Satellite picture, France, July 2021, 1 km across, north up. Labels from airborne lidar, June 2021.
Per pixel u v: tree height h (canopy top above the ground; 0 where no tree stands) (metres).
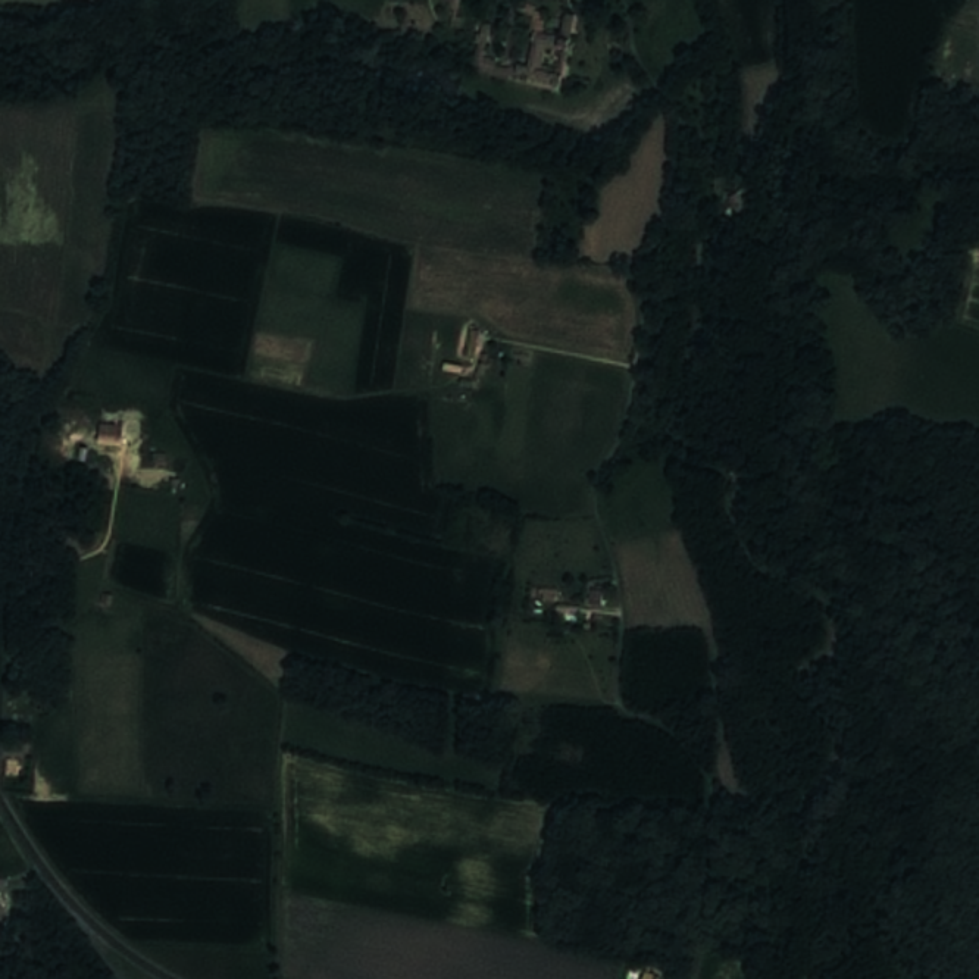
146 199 10
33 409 19
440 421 0
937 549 25
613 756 11
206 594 0
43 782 0
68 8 21
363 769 8
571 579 12
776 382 20
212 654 0
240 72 27
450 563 0
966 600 21
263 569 0
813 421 25
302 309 0
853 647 22
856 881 23
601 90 8
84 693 0
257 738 0
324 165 0
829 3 19
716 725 13
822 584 32
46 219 0
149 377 0
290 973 0
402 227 0
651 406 16
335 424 0
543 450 0
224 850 0
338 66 21
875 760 28
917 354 0
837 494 8
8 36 26
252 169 0
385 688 16
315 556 0
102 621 0
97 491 17
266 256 0
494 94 0
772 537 21
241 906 0
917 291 18
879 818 20
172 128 27
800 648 15
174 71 27
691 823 25
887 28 0
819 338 15
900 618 19
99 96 0
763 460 25
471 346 0
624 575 0
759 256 20
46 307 0
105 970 17
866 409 0
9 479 23
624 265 21
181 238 0
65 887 0
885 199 31
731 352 27
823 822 33
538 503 0
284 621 0
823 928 21
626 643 7
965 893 22
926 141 19
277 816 6
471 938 0
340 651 0
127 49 24
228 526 0
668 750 10
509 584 9
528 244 0
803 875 26
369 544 0
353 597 0
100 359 0
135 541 0
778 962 18
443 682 0
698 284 21
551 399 0
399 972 0
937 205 0
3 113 0
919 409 0
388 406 0
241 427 0
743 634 21
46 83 17
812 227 28
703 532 16
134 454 0
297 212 0
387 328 0
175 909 0
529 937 0
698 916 22
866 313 0
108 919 0
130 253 0
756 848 22
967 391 0
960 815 21
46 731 0
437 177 0
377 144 15
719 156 19
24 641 18
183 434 0
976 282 0
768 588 18
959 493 23
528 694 0
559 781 7
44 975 18
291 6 0
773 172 24
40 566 15
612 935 21
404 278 0
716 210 15
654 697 9
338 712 14
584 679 0
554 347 0
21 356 0
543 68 0
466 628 0
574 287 0
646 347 22
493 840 0
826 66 27
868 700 23
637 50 0
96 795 0
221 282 0
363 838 0
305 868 0
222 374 0
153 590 0
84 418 0
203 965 0
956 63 0
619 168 17
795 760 19
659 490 0
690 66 19
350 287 0
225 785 0
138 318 0
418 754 0
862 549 18
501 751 19
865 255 19
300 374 0
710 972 0
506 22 14
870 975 6
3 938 15
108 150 0
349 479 0
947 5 12
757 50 0
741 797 9
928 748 22
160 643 0
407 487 0
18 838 0
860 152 20
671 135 12
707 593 18
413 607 0
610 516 0
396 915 0
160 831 0
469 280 0
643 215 0
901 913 25
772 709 13
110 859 0
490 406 0
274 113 24
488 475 0
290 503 0
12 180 0
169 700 0
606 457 0
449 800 0
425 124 19
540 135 22
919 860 22
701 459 17
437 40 9
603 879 26
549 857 18
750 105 0
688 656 8
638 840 19
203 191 0
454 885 0
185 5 22
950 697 25
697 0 9
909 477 15
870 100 0
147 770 0
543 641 0
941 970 23
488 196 0
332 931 0
